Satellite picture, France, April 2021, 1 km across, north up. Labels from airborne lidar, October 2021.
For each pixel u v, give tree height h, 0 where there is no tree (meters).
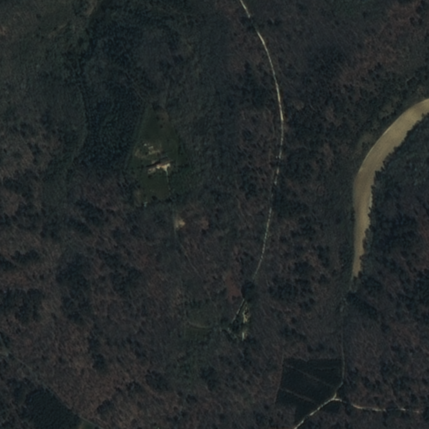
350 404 24
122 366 22
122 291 12
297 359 12
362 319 14
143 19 22
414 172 19
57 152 16
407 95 24
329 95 13
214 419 14
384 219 21
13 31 23
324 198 12
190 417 9
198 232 10
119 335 14
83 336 14
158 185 0
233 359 14
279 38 13
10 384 9
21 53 15
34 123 14
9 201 14
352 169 14
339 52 16
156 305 12
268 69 16
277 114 12
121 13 22
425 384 13
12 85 17
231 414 14
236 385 15
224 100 17
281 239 13
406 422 25
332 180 14
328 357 16
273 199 13
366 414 16
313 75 15
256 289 19
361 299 13
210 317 20
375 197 14
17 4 15
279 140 9
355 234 17
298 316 6
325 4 15
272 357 16
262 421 26
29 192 14
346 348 14
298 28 17
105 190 25
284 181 20
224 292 8
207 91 27
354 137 25
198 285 13
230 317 13
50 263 20
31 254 17
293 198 16
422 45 17
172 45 11
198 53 16
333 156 10
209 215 19
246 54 16
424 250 17
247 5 12
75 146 21
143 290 20
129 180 14
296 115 6
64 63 18
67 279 25
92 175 28
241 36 10
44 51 13
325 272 13
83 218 19
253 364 22
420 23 10
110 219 13
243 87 14
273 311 15
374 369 10
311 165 14
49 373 10
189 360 20
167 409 12
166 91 15
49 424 22
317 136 16
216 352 20
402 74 13
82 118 22
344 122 15
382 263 10
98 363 11
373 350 8
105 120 27
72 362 9
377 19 15
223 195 13
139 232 22
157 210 23
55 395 11
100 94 24
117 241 20
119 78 11
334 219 16
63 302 16
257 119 12
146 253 7
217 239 17
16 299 28
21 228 19
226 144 21
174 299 19
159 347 13
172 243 16
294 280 10
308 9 16
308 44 16
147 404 13
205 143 17
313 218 19
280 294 18
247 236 17
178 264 16
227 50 16
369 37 22
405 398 10
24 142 14
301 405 10
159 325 13
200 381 14
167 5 22
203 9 16
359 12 18
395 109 11
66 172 23
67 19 14
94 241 14
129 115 23
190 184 12
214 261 14
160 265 21
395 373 19
